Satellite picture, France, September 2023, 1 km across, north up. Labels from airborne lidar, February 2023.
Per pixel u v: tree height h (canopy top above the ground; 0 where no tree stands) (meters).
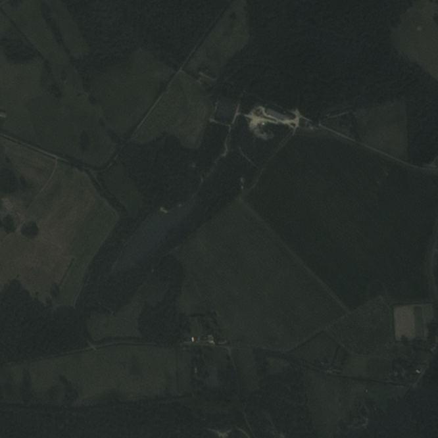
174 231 18
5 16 0
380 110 0
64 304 0
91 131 0
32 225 14
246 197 0
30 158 0
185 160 11
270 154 0
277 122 0
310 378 0
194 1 8
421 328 0
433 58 0
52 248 0
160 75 0
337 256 0
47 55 0
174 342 7
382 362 0
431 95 7
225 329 0
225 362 0
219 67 0
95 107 0
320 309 0
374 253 0
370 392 0
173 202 10
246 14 0
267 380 17
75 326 21
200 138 0
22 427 22
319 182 0
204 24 7
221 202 10
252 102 14
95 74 0
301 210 0
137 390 0
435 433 14
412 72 10
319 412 0
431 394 30
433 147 14
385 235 0
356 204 0
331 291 0
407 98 7
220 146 12
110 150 0
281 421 15
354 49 22
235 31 0
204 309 0
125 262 0
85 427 19
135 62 0
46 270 0
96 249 0
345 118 12
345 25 15
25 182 15
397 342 0
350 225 0
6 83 0
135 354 0
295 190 0
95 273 13
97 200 0
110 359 0
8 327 8
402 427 28
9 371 0
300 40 11
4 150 0
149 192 8
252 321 0
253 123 0
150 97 0
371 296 0
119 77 0
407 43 0
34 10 0
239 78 16
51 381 0
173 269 9
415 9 0
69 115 0
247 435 0
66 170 0
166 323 14
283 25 17
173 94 0
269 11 12
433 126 19
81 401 0
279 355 13
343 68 22
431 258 0
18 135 0
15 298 6
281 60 11
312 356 0
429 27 0
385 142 0
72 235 0
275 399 20
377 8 13
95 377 0
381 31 14
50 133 0
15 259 0
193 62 0
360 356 0
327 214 0
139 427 7
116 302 16
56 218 0
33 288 0
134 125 8
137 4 8
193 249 0
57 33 16
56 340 19
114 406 6
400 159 0
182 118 0
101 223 0
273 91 12
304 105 11
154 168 21
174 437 15
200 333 0
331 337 0
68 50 14
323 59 19
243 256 0
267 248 0
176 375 0
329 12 12
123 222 8
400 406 17
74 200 0
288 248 0
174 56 7
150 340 8
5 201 0
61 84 0
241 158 10
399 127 0
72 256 0
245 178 12
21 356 11
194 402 0
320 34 20
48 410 14
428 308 0
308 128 0
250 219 0
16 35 0
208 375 12
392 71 7
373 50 21
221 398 16
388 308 0
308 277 0
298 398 12
